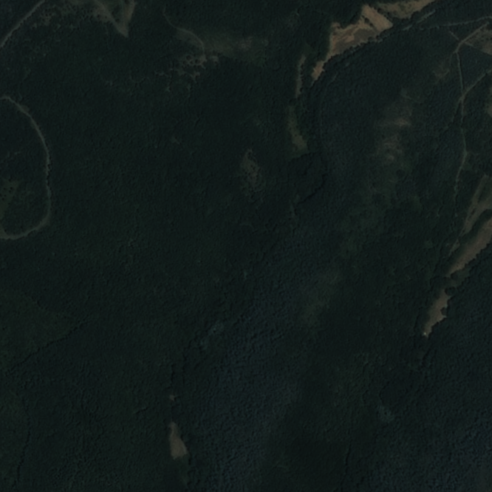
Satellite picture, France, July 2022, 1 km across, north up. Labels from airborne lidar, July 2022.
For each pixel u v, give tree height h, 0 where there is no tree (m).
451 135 10
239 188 16
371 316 16
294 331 8
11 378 18
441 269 17
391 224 7
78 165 16
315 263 8
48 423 19
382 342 16
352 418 21
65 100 8
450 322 11
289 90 18
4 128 10
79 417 11
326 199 11
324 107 7
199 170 13
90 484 16
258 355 15
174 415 20
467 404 7
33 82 8
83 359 14
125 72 8
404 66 6
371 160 6
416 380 16
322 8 13
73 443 18
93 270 14
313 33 10
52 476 17
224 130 16
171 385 12
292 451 15
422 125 11
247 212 16
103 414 15
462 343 7
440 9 8
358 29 0
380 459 12
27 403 18
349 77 7
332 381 14
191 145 15
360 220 6
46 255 15
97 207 22
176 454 0
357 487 18
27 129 9
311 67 11
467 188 11
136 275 17
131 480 19
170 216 23
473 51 10
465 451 10
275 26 7
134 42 10
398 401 17
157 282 12
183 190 16
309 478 8
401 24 8
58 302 20
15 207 6
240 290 18
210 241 17
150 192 20
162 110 13
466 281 8
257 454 13
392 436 12
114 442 18
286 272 8
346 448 8
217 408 13
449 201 13
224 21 11
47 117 8
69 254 17
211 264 19
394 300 10
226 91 14
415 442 6
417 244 15
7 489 22
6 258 10
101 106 9
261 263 15
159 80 10
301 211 18
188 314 14
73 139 16
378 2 9
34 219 6
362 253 8
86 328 19
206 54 6
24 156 6
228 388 13
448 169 9
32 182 10
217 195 18
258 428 8
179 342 13
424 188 11
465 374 7
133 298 13
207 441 7
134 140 16
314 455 15
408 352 20
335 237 8
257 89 17
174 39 5
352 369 19
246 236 18
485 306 7
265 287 11
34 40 5
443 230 16
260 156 12
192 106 12
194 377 20
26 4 6
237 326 14
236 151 10
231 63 10
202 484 13
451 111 10
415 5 0
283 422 10
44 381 14
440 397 6
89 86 9
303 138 6
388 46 7
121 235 16
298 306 7
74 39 10
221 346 18
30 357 17
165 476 14
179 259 17
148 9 6
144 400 22
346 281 6
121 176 20
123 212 19
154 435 19
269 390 13
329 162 10
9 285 18
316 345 9
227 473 11
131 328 19
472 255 0
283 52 17
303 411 15
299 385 11
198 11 13
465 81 10
